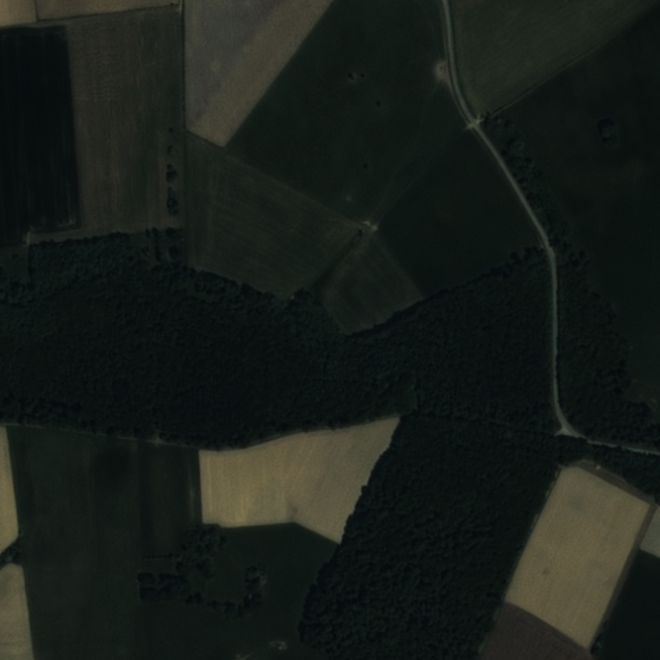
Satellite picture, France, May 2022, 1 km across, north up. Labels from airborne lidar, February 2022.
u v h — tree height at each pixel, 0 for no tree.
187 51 0
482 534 24
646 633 0
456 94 0
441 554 25
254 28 0
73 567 0
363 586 19
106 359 12
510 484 18
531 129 0
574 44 0
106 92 0
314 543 0
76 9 0
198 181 0
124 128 0
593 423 14
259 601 15
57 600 0
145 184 0
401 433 17
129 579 0
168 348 11
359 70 0
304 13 0
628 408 18
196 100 0
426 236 0
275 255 0
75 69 0
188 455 0
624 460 18
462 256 0
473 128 0
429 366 16
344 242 0
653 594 0
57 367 10
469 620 24
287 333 15
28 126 0
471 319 13
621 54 0
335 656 24
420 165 0
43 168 0
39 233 0
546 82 0
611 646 0
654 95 0
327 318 19
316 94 0
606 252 0
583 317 10
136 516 0
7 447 0
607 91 0
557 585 0
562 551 0
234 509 0
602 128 15
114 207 0
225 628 0
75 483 0
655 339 0
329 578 27
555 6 0
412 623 28
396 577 24
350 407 13
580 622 0
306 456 0
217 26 0
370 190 0
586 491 0
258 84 0
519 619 0
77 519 0
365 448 0
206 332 13
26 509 0
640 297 0
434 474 21
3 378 10
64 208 0
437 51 0
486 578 27
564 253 20
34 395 9
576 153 0
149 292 10
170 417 13
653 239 0
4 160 0
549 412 12
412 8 0
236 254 0
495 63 0
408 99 0
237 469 0
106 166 0
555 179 0
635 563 0
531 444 17
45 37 0
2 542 0
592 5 0
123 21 0
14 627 0
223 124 0
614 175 0
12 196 0
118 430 10
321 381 13
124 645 0
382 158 0
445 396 14
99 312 12
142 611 0
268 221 0
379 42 0
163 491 0
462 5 0
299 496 0
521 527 18
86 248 11
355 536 20
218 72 0
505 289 13
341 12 0
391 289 0
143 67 0
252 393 14
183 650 0
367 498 19
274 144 0
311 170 0
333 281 0
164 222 0
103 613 0
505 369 15
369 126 0
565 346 12
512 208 0
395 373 12
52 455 0
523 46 0
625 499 0
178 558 6
